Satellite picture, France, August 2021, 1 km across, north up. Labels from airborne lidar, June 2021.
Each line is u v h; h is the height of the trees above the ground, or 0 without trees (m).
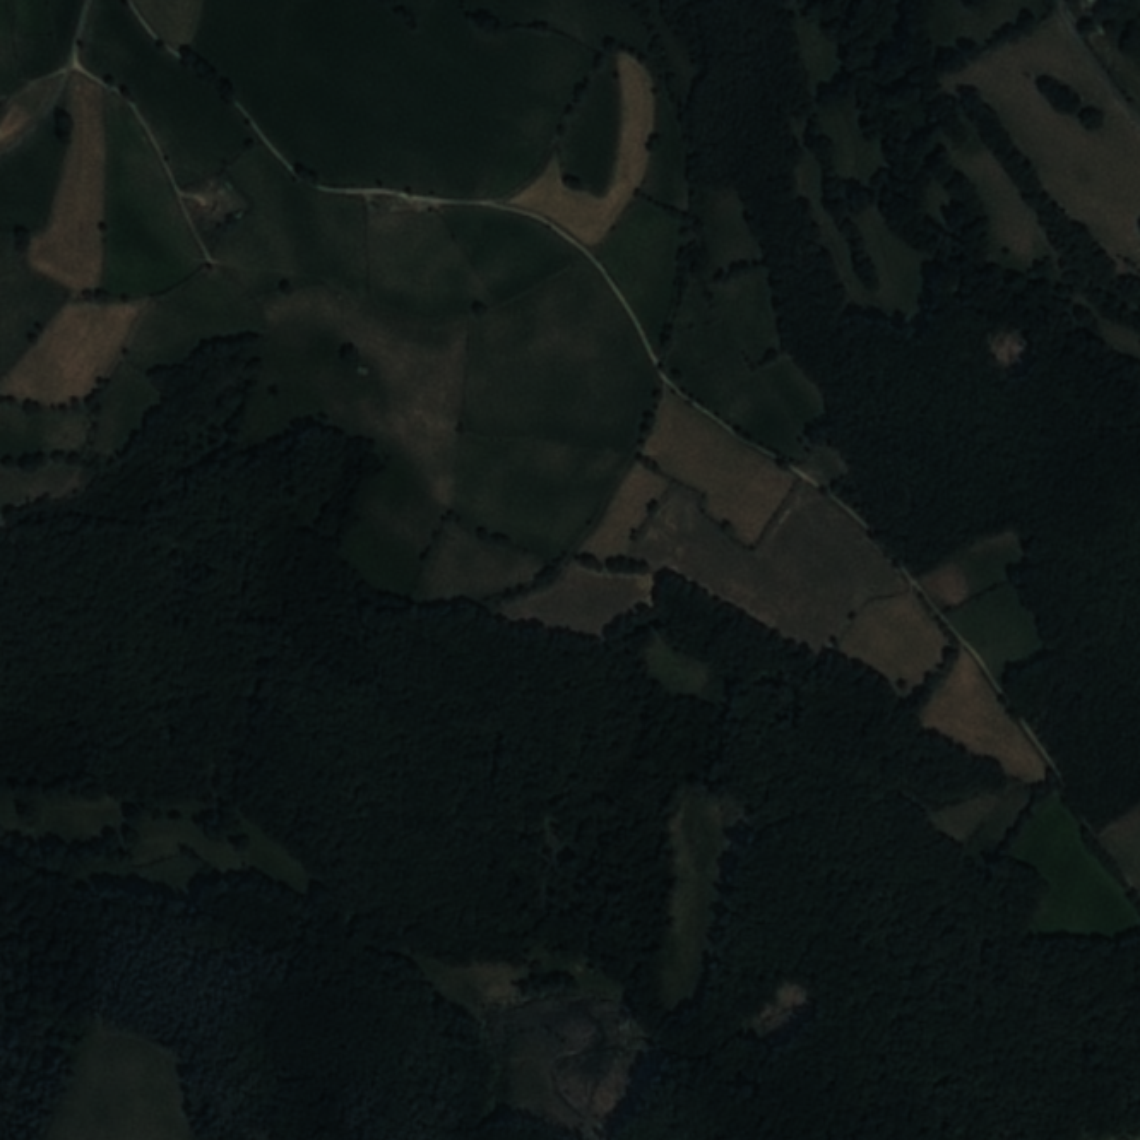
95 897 19
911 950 24
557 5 0
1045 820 0
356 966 28
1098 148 0
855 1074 29
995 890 19
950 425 14
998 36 8
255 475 29
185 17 0
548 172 0
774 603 0
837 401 20
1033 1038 24
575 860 29
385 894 23
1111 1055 23
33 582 23
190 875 0
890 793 18
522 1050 0
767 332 0
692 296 0
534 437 0
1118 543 14
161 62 0
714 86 20
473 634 17
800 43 25
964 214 25
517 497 0
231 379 18
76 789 25
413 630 22
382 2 10
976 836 0
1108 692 20
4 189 0
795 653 12
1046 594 20
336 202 0
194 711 27
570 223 0
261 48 0
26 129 0
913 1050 25
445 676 26
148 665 23
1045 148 0
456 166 0
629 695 27
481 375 0
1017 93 0
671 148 0
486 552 0
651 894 9
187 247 0
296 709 18
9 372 0
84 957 22
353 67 0
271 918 22
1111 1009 23
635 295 0
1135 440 23
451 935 24
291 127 0
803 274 18
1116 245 0
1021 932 18
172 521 23
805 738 19
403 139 0
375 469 6
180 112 0
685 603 17
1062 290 14
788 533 0
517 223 0
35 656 23
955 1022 27
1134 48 13
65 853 23
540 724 28
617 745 26
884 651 0
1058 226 22
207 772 22
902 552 9
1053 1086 23
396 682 24
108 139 0
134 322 0
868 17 28
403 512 0
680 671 0
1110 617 16
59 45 0
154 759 29
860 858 22
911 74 23
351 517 12
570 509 0
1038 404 19
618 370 0
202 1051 17
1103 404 25
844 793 27
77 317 0
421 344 0
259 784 26
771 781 25
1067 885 0
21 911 18
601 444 0
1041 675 14
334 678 24
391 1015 23
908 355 21
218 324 0
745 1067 25
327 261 0
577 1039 0
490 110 0
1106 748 21
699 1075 33
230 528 27
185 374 14
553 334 0
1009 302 26
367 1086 22
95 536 20
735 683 22
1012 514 18
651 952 26
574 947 25
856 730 17
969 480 19
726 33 23
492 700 24
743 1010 28
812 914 23
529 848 23
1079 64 0
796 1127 26
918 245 19
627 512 0
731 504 0
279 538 11
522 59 0
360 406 0
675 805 16
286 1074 25
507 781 29
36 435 0
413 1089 15
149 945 22
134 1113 0
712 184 16
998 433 17
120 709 26
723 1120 26
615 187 0
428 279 0
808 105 22
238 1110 11
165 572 24
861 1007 27
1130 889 7
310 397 0
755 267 7
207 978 22
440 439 0
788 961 24
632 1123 22
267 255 0
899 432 18
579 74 0
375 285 0
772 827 22
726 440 0
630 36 0
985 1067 24
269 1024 18
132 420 0
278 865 0
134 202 0
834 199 16
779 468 8
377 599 12
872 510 10
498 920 26
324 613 6
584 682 18
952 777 17
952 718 0
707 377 0
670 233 0
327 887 18
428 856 23
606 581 0
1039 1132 20
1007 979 19
